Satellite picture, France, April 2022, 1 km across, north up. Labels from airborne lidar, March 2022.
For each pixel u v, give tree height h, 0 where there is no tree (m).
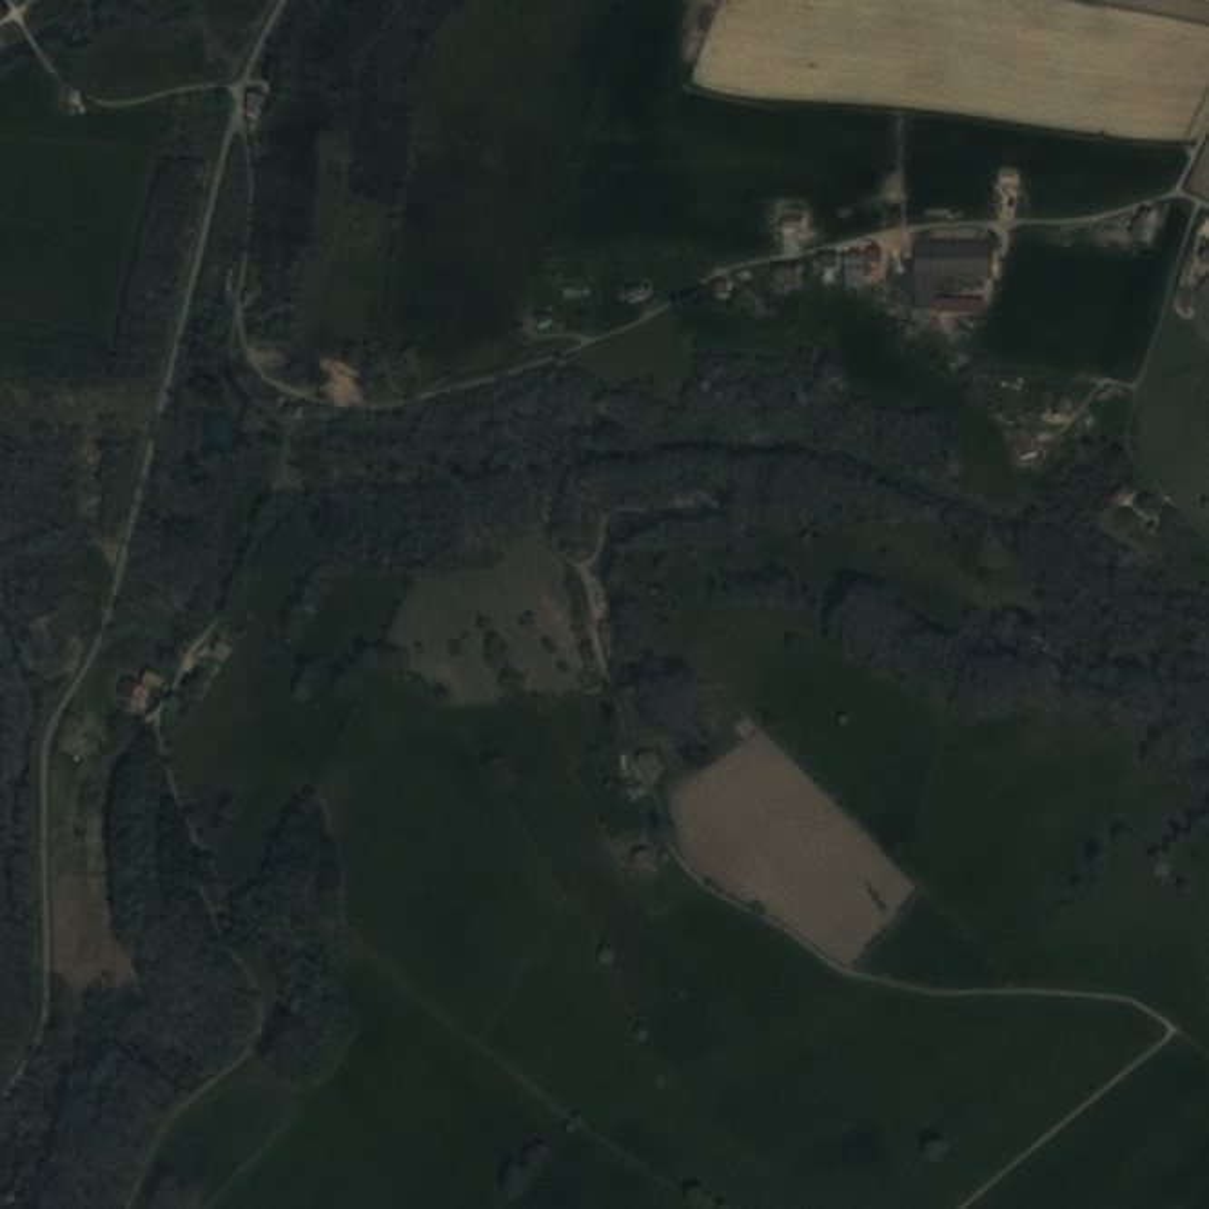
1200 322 0
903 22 0
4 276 0
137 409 0
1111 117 0
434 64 0
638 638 20
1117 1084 0
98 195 0
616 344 0
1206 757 25
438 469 19
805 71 0
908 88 0
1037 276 0
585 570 0
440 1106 0
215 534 15
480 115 0
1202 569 0
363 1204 0
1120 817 0
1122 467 15
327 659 0
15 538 0
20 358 0
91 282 0
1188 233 0
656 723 26
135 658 0
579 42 0
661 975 0
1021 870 0
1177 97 0
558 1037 0
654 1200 0
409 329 0
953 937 0
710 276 0
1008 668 27
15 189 0
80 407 0
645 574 0
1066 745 0
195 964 26
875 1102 0
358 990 0
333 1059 26
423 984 0
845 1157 0
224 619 7
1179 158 0
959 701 19
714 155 0
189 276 0
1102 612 8
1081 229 0
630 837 0
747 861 0
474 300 0
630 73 0
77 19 8
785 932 0
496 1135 0
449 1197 0
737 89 0
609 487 20
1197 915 0
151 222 8
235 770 0
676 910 0
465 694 0
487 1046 0
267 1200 0
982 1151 0
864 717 0
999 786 0
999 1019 0
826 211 0
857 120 0
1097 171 0
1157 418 0
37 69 13
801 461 25
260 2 0
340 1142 0
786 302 0
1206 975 0
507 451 23
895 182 0
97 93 0
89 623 0
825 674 0
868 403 6
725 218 0
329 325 0
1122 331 0
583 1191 0
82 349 0
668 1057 0
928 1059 0
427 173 0
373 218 0
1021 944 0
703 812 0
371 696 0
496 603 0
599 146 0
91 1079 13
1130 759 0
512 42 0
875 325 0
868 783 0
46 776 0
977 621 16
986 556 0
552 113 0
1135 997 0
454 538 10
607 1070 0
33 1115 6
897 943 0
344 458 14
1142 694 27
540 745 0
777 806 0
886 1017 0
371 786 0
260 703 0
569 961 0
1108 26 0
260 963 0
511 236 0
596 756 7
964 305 0
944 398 0
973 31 0
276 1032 0
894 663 24
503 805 0
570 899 0
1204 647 17
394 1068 0
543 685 0
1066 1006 0
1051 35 0
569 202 0
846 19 0
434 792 0
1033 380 0
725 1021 0
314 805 16
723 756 0
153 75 0
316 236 0
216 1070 28
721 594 18
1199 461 0
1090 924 0
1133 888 0
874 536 0
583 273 0
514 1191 18
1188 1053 0
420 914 0
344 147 25
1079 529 8
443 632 0
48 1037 12
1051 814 0
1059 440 0
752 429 20
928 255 0
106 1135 28
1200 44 0
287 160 0
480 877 0
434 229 0
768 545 0
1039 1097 0
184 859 20
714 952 0
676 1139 0
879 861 0
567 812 0
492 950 0
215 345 25
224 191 7
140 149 0
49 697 21
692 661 0
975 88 0
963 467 0
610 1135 0
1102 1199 0
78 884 0
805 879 0
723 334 0
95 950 0
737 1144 0
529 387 12
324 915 19
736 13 0
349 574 8
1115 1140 0
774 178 0
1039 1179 0
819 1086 0
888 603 29
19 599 16
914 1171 0
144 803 11
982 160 0
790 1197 0
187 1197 20
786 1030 0
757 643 0
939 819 0
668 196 0
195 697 9
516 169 0
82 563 0
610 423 17
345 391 0
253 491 0
